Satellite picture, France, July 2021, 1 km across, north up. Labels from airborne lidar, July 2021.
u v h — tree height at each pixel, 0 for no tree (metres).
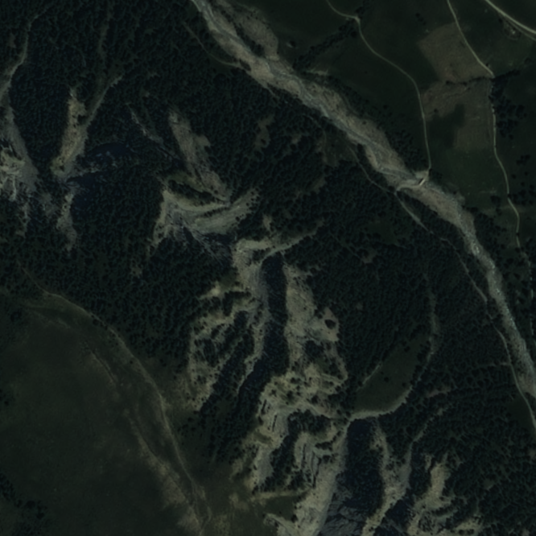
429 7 0
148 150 13
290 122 25
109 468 0
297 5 0
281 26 0
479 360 10
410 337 15
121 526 0
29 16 21
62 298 0
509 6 0
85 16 25
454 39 0
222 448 11
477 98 0
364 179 11
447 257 13
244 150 22
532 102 0
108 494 0
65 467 0
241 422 12
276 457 9
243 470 0
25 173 0
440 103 0
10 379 0
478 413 16
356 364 26
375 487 13
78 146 0
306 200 16
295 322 0
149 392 0
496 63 0
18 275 14
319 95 0
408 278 23
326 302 20
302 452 0
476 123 0
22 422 0
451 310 15
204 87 28
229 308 12
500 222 0
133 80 26
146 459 0
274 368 7
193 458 0
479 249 0
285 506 0
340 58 0
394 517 8
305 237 0
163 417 0
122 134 12
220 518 0
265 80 0
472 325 17
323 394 0
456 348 20
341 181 23
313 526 0
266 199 11
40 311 0
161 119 12
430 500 0
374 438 11
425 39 0
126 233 18
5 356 0
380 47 0
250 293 10
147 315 16
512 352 9
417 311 15
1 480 17
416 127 0
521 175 0
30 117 19
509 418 12
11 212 15
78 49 32
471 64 0
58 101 14
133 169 12
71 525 0
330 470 0
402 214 12
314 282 28
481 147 0
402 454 8
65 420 0
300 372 0
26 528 6
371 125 0
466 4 0
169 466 0
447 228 9
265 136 0
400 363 0
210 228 0
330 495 0
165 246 12
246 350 17
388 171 0
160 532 0
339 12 0
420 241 23
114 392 0
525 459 12
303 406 0
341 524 0
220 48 8
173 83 30
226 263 8
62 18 32
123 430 0
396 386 0
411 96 0
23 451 0
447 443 20
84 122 14
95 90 27
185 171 0
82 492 0
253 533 0
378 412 0
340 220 16
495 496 24
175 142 14
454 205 0
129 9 28
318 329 0
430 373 18
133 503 0
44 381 0
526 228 0
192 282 10
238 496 0
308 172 18
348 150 0
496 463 20
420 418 16
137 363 0
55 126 14
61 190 17
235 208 0
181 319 16
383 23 0
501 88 12
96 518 0
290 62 0
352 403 16
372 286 22
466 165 0
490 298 11
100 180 12
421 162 10
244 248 0
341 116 0
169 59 31
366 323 29
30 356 0
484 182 0
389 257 23
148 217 10
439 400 22
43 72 25
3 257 20
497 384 18
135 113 28
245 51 0
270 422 0
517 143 0
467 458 22
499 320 13
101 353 0
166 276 25
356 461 9
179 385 0
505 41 0
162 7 26
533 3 0
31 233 14
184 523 0
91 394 0
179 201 0
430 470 7
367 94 0
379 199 19
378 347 17
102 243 16
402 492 0
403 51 0
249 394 7
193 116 26
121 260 17
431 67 0
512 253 0
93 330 0
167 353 7
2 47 16
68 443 0
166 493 0
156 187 13
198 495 0
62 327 0
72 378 0
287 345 9
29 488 0
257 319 8
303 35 0
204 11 0
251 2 0
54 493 0
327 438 0
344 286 26
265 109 24
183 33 27
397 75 0
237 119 18
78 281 11
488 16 0
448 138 0
